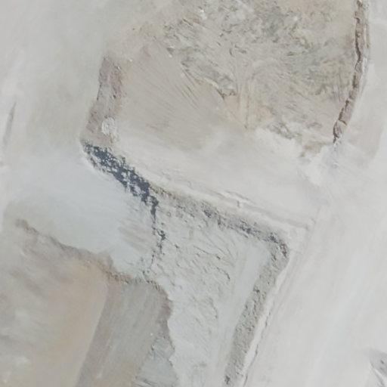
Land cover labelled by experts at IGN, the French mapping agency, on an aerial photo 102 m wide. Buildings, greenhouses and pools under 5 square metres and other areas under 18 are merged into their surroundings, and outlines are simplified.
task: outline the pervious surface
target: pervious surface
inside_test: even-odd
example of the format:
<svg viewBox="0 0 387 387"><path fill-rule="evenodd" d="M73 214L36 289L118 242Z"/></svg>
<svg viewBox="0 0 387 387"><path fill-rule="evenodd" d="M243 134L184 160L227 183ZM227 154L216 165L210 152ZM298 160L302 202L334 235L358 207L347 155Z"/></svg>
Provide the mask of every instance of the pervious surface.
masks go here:
<svg viewBox="0 0 387 387"><path fill-rule="evenodd" d="M0 0L0 387L387 387L387 0Z"/></svg>

